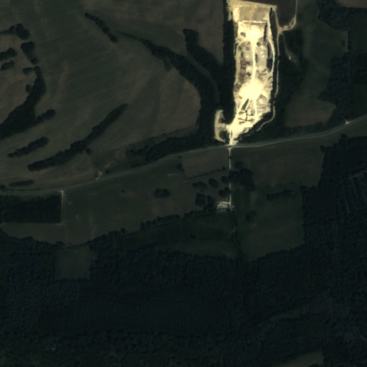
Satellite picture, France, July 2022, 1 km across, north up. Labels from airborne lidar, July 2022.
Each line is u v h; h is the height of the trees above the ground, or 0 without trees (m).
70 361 22
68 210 0
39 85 18
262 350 11
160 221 18
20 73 0
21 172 0
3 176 0
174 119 0
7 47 0
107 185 0
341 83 26
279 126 11
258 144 0
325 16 12
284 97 8
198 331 8
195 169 0
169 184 0
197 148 9
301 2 0
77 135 0
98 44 0
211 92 19
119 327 13
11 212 12
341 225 28
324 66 0
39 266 12
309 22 0
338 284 29
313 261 26
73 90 0
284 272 27
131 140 0
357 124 0
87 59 0
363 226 31
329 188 12
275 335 20
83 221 0
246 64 0
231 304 25
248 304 27
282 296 27
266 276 23
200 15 0
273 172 0
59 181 0
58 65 0
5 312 24
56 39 0
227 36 10
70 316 10
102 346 22
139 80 0
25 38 10
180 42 0
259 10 0
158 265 25
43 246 15
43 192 0
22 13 0
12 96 0
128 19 0
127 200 0
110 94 0
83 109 0
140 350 16
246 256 8
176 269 28
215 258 15
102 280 18
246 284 12
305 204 10
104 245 23
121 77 0
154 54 14
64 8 0
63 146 0
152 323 11
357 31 0
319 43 0
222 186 0
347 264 33
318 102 0
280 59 11
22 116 18
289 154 0
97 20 15
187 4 0
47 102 0
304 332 18
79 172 0
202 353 20
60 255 0
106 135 0
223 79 23
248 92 0
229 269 28
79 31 0
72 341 26
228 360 21
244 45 0
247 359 31
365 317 30
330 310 29
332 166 11
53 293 20
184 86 0
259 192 0
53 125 0
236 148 0
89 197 0
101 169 0
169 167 0
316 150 0
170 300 7
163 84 0
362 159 9
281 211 0
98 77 0
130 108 0
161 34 0
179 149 9
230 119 17
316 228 27
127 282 23
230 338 20
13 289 17
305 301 24
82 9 0
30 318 21
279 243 0
